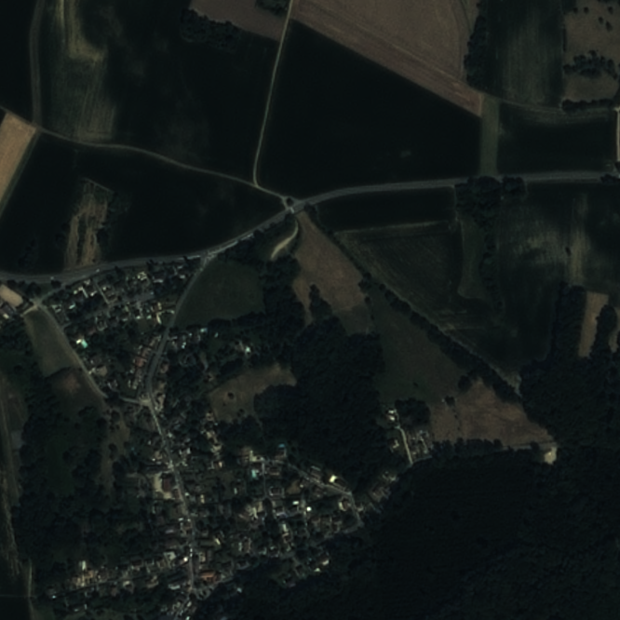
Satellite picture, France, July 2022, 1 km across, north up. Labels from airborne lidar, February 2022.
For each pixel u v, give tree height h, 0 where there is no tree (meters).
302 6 0
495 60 0
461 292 0
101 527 19
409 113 0
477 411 0
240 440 23
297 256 0
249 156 0
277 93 0
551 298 0
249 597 12
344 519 7
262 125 0
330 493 0
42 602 17
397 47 0
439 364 0
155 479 0
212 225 0
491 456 19
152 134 0
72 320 14
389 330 0
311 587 20
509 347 0
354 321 0
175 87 0
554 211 0
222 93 0
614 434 29
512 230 0
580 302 17
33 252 13
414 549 8
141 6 0
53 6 0
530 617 15
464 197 11
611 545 23
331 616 9
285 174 0
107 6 0
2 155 0
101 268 0
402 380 0
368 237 0
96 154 0
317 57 0
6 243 0
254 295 0
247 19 0
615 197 0
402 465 20
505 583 25
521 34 0
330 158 0
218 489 8
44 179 0
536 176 0
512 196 8
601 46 0
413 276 0
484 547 27
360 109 0
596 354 13
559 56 0
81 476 20
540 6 0
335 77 0
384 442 14
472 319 0
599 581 22
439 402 0
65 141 0
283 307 17
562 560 20
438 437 0
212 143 0
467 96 0
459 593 11
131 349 0
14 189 0
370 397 23
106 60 0
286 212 0
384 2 0
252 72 0
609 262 0
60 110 0
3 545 0
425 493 7
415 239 0
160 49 0
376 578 8
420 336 0
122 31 0
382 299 0
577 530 25
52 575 25
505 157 0
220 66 0
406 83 0
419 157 0
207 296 0
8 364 0
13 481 0
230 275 0
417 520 7
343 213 0
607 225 0
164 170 0
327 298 0
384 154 0
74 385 0
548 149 0
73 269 0
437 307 0
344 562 26
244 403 0
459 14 0
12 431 0
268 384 0
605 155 0
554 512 15
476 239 0
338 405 28
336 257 0
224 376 15
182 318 0
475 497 8
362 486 19
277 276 15
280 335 18
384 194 0
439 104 0
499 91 0
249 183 0
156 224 0
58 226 0
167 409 15
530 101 0
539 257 0
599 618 23
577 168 0
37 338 0
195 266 11
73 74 0
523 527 12
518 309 0
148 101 0
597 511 16
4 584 0
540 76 0
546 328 0
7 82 0
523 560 26
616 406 24
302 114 0
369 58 0
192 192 0
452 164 0
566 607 25
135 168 0
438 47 0
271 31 0
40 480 20
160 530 7
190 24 12
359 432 25
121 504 10
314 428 29
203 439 21
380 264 0
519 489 7
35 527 22
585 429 25
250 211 0
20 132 0
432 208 0
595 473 12
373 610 17
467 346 0
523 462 12
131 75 0
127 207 0
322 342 27
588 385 22
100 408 0
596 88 0
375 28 0
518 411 0
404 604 8
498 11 0
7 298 0
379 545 8
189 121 0
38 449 18
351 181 0
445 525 9
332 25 0
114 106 0
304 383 28
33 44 0
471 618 22
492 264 6
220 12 0
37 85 0
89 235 0
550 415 24
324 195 0
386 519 11
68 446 0
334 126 0
